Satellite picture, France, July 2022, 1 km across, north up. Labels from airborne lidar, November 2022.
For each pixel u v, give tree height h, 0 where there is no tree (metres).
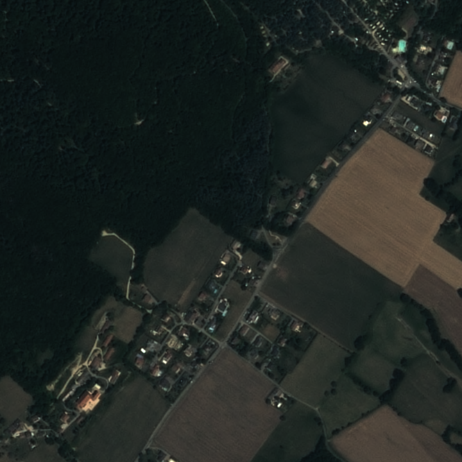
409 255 0
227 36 21
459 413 0
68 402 13
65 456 16
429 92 11
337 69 0
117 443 0
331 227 0
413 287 0
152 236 23
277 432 0
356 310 0
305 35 25
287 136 0
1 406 0
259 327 0
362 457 0
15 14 19
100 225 20
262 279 0
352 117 0
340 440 0
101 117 16
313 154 0
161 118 18
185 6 15
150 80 22
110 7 22
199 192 24
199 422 0
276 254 0
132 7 19
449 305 0
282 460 0
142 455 9
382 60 11
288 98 0
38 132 27
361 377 0
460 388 0
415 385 0
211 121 15
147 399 0
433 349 0
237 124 21
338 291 0
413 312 0
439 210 0
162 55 18
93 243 22
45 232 19
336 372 0
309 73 0
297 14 22
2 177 22
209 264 0
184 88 16
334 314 0
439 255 0
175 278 0
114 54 19
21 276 17
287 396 6
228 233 15
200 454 0
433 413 0
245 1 16
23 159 21
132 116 13
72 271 17
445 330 0
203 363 12
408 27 0
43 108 8
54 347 14
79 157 28
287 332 13
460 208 18
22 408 0
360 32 14
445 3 10
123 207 18
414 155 0
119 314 0
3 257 21
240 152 16
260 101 21
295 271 0
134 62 15
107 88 14
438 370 0
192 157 20
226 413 0
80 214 19
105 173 20
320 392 0
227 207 20
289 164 0
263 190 17
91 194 19
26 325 16
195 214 0
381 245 0
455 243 0
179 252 0
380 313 0
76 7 21
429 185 21
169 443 0
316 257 0
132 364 6
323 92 0
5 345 17
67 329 13
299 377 0
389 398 19
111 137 23
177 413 0
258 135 26
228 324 0
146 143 20
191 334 6
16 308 15
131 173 22
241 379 0
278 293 0
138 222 21
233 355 0
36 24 17
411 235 0
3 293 15
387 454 0
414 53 12
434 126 0
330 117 0
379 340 0
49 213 21
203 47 18
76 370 0
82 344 0
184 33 22
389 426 0
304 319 0
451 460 0
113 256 0
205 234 0
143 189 19
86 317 12
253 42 23
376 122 0
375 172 0
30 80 21
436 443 0
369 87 0
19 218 20
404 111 0
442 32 12
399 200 0
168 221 20
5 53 19
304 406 0
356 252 0
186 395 0
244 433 0
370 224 0
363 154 0
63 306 18
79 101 20
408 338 0
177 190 18
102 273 19
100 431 0
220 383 0
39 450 0
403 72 0
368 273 0
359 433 0
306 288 0
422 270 0
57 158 12
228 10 13
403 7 10
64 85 19
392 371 0
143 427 0
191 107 23
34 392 16
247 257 0
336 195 0
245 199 26
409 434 0
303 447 0
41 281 16
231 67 20
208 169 22
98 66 20
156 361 0
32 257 19
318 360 0
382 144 0
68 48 19
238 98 14
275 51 12
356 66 14
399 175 0
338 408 0
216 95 18
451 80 0
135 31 18
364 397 0
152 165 17
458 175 12
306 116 0
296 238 0
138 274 17
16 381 14
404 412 0
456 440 0
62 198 21
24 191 22
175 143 17
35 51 22
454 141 13
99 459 0
